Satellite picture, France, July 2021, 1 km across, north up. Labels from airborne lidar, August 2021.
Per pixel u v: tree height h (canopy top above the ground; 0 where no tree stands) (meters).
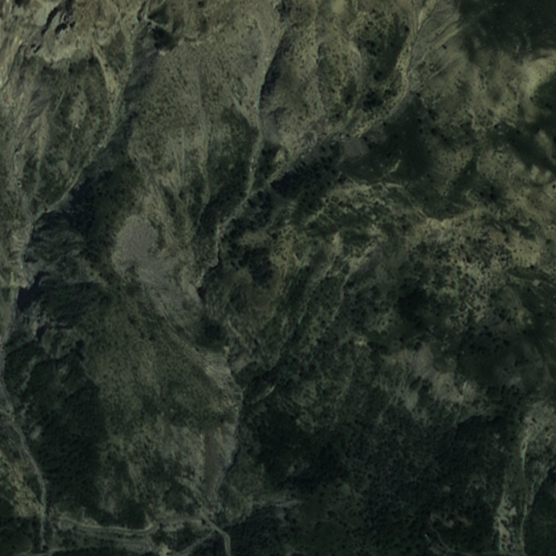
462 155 0
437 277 9
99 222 0
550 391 0
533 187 0
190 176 0
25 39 0
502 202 0
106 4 0
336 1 0
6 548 0
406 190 0
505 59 0
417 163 0
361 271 0
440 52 0
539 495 9
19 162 0
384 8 0
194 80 0
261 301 0
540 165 0
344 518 0
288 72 0
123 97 0
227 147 0
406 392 0
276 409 7
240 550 6
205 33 0
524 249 0
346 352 6
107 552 11
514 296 0
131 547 0
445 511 6
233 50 0
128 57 0
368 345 6
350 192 0
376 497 6
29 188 0
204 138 0
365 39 0
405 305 20
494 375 0
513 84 0
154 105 0
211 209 9
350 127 0
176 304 0
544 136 0
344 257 0
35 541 8
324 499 7
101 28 0
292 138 0
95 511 7
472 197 0
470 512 8
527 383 0
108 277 7
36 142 0
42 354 7
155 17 0
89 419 6
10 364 6
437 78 0
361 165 0
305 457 11
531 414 0
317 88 0
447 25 0
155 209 0
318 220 0
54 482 7
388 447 11
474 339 11
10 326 0
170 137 0
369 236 0
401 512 10
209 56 0
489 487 6
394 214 0
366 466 8
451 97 0
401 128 0
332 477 13
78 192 0
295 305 6
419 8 0
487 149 0
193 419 0
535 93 0
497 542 10
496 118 0
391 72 0
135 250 0
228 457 0
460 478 10
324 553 0
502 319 12
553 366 0
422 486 11
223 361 0
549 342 0
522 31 0
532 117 0
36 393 10
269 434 6
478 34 0
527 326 0
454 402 0
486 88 0
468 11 0
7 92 0
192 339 0
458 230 0
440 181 0
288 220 0
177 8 0
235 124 0
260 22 0
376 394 8
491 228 0
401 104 0
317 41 0
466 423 7
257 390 7
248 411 6
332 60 0
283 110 0
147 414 5
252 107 0
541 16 0
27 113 0
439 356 0
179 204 0
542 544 6
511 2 0
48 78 0
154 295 0
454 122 0
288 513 7
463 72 0
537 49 0
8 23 0
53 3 0
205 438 0
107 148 0
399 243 0
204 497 0
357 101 0
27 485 8
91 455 8
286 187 12
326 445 7
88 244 8
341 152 0
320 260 0
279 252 0
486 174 0
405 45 0
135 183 0
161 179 0
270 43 0
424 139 0
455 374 7
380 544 13
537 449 0
